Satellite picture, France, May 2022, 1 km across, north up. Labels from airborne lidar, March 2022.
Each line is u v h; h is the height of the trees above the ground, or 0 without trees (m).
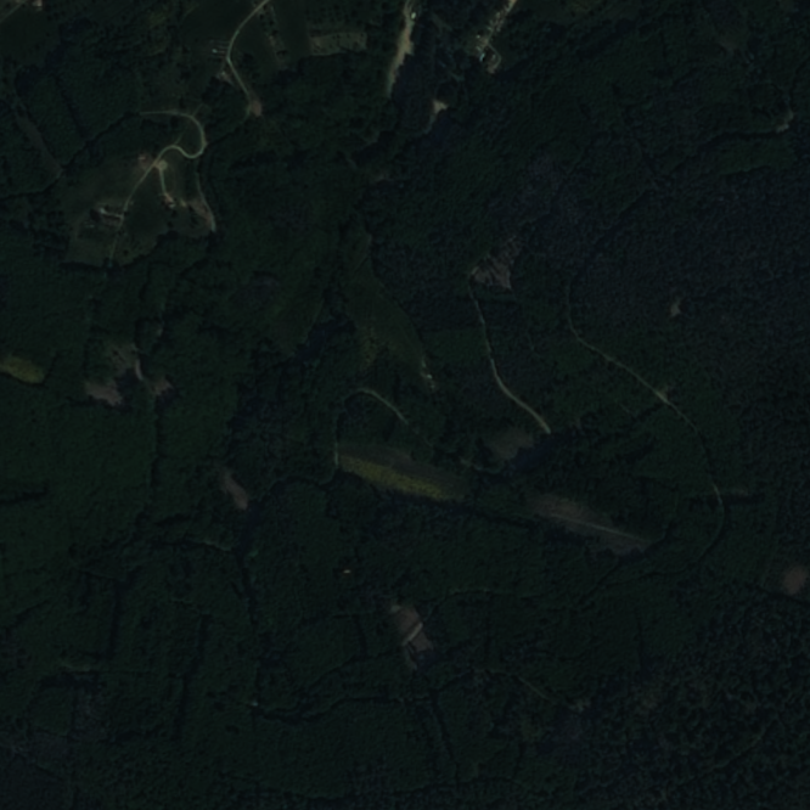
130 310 0
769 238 32
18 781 28
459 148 24
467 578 21
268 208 24
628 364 16
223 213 20
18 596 23
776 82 21
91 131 17
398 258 23
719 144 22
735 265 30
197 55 0
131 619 22
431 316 26
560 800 20
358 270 0
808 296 18
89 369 18
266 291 24
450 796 19
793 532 21
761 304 24
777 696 17
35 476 23
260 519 26
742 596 15
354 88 26
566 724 24
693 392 14
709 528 19
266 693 26
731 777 20
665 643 19
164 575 11
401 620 0
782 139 22
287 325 0
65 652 24
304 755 22
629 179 27
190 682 18
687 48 11
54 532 21
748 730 23
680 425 21
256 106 0
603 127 15
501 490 28
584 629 15
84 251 0
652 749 23
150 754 19
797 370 19
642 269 23
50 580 25
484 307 23
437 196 16
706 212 29
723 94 20
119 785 18
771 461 18
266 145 0
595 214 24
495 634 10
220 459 23
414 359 0
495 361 16
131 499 24
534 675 10
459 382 19
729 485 20
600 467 23
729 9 28
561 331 19
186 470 31
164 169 0
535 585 27
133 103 18
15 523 21
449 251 27
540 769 22
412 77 32
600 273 22
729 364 20
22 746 25
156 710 23
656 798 23
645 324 11
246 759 18
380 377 0
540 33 11
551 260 24
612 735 24
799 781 19
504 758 11
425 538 18
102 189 0
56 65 19
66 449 22
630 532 16
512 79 17
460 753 19
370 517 0
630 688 30
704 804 24
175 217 9
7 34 0
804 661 21
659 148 26
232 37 0
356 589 30
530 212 24
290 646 19
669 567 17
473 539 19
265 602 25
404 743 18
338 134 15
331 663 14
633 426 20
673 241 21
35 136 0
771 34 14
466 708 17
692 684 26
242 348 21
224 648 23
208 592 17
